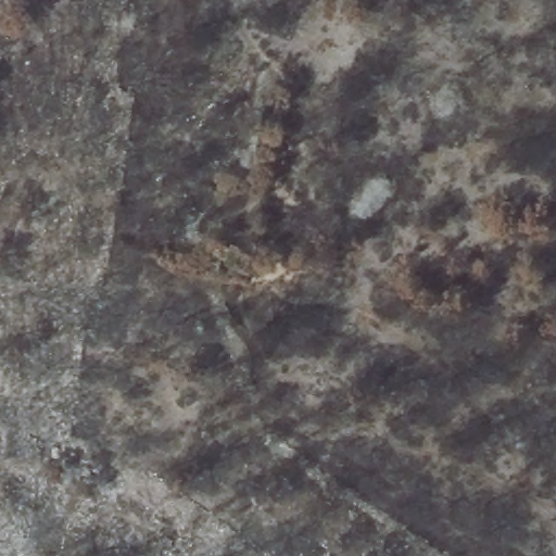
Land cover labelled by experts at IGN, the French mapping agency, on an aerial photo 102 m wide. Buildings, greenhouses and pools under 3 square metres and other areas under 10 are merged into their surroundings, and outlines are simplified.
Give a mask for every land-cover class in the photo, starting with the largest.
<instances>
[{"label":"bare soil","instance_id":"1","mask_svg":"<svg viewBox=\"0 0 556 556\"><path fill-rule=\"evenodd\" d=\"M200 235L211 237L224 245H235L243 254L254 256V282H269L282 278L293 282L291 289L282 295L263 289L245 302L228 304L224 311H213L209 295L200 289L202 282H191L182 276L169 274L150 258L152 252H159L169 261L176 254H191V248L200 241ZM406 267H410V298L389 300L387 291L393 287L395 271ZM556 304V0H0V556H556V339L539 343L526 356H517L510 343L519 339V317L523 313Z\"/></svg>","mask_w":556,"mask_h":556},{"label":"coniferous trees","instance_id":"2","mask_svg":"<svg viewBox=\"0 0 556 556\"><path fill-rule=\"evenodd\" d=\"M150 258L169 274L182 276L191 282H202L200 289L209 295L213 311H224L228 304L245 302L263 289L282 295L291 289L293 282L282 278L269 282H254V256L243 254L235 245H224L211 237L200 235V241L191 248V254H176L169 261L159 252H152ZM410 267H406L395 271L393 287L387 291L389 300L410 298ZM519 339L510 343L517 356H526L539 343L556 339V304L523 313L519 317Z\"/></svg>","mask_w":556,"mask_h":556}]
</instances>
